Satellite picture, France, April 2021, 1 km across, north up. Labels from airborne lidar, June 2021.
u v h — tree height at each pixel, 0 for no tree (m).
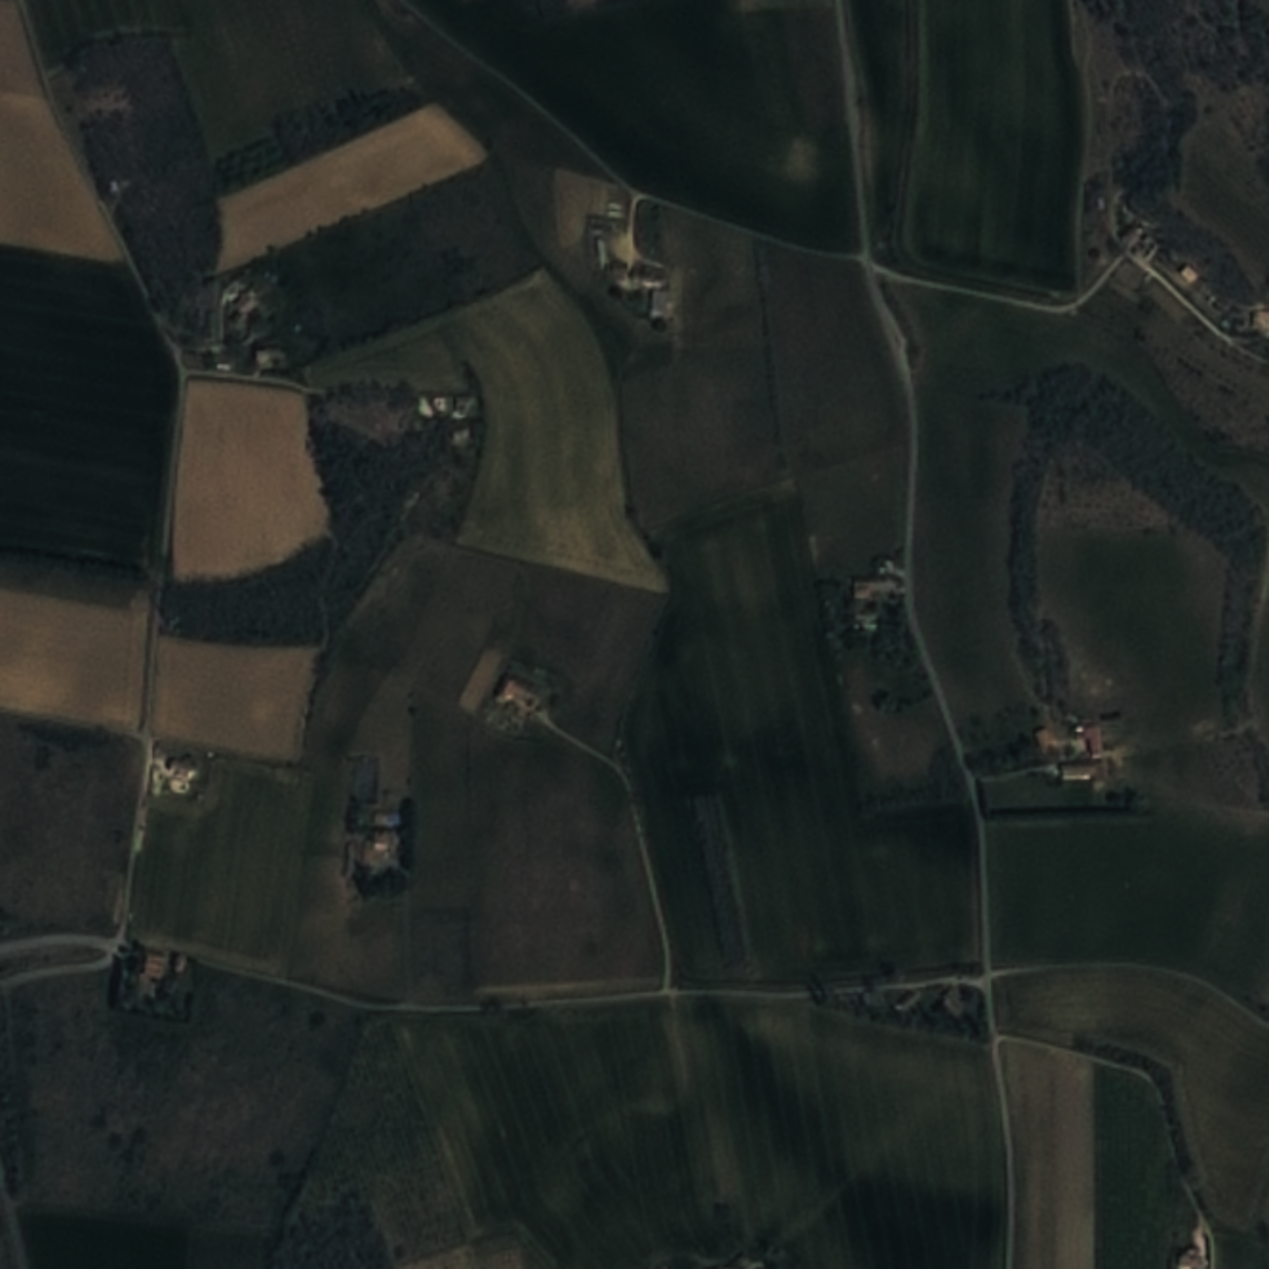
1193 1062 0
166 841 0
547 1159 0
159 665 0
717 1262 0
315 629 11
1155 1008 0
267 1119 0
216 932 0
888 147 0
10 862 0
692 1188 0
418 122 0
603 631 0
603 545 0
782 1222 0
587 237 0
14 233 0
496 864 0
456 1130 0
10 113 0
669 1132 0
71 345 0
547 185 0
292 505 0
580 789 0
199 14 0
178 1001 9
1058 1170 0
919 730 0
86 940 0
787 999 0
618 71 0
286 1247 13
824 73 0
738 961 6
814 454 0
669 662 0
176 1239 0
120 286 0
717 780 0
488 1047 0
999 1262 0
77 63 13
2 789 0
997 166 0
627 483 0
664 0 0
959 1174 0
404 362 0
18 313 0
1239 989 0
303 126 12
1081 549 0
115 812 0
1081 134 0
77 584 0
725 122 0
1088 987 0
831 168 0
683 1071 0
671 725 0
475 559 0
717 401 0
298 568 8
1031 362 0
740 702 0
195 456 0
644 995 0
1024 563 11
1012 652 0
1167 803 0
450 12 0
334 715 0
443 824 0
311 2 0
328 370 0
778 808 0
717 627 0
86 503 0
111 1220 0
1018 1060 0
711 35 0
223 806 0
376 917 0
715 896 7
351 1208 10
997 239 0
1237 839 0
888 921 0
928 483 0
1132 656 0
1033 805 0
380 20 0
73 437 0
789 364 0
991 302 0
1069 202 0
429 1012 0
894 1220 0
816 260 0
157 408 0
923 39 0
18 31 0
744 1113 0
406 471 10
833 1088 0
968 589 0
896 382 0
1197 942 0
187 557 0
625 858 0
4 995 11
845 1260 0
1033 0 0
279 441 0
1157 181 9
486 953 0
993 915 0
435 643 0
